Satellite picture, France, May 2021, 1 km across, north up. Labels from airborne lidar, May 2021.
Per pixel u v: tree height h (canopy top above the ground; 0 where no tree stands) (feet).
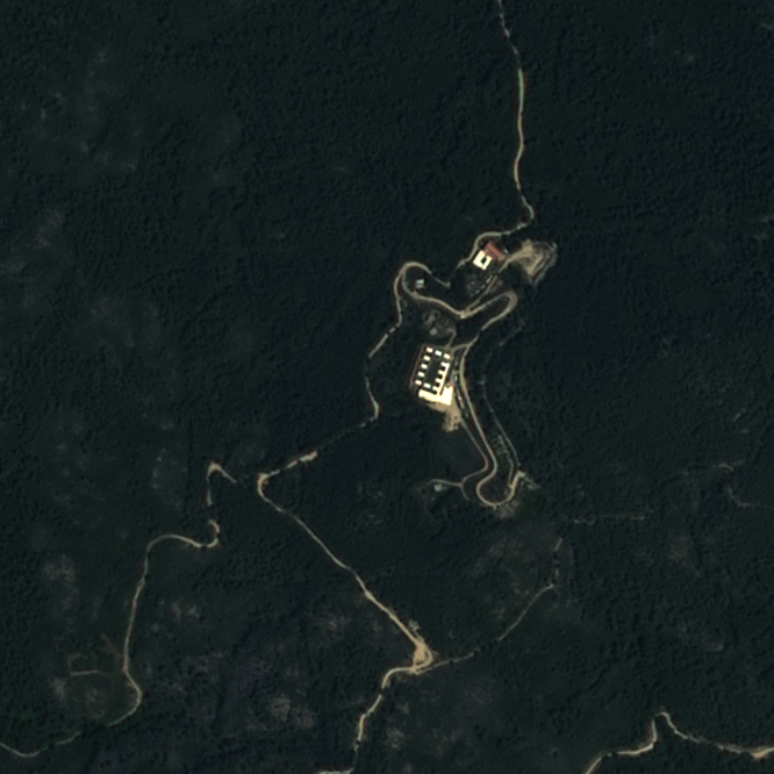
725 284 30
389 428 46
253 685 40
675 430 44
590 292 42
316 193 17
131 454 19
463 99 60
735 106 50
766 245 24
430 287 40
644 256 27
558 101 36
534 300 37
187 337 53
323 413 45
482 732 48
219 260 51
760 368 50
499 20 47
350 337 56
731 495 23
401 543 49
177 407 38
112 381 29
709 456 35
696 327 39
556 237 52
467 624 25
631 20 18
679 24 32
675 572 31
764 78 40
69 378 47
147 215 17
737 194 49
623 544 43
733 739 41
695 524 35
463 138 65
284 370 41
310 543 47
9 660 37
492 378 38
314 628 65
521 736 47
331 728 48
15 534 23
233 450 40
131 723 48
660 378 50
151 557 31
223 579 41
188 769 35
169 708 41
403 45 58
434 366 0
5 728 78
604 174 35
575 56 54
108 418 45
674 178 38
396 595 31
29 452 35
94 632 21
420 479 48
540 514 30
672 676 61
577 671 33
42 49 44
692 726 49
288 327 44
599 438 37
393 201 42
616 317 38
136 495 43
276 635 56
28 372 37
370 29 19
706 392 36
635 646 69
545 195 50
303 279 52
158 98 19
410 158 59
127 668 0
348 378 49
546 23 52
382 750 36
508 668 34
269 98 35
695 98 31
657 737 0
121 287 47
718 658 33
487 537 33
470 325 53
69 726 51
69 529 35
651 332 41
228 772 72
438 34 41
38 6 45
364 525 34
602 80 24
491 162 47
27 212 36
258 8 18
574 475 40
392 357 37
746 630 78
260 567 34
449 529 49
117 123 28
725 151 52
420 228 50
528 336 38
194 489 45
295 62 40
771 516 38
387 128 46
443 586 32
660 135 41
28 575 34
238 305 50
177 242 48
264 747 68
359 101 39
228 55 90
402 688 26
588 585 54
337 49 50
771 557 41
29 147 32
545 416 35
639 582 51
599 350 47
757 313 42
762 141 41
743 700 34
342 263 45
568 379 40
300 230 29
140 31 25
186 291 42
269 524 46
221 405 44
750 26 29
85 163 18
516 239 47
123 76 19
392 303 41
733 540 38
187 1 18
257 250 71
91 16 54
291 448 51
